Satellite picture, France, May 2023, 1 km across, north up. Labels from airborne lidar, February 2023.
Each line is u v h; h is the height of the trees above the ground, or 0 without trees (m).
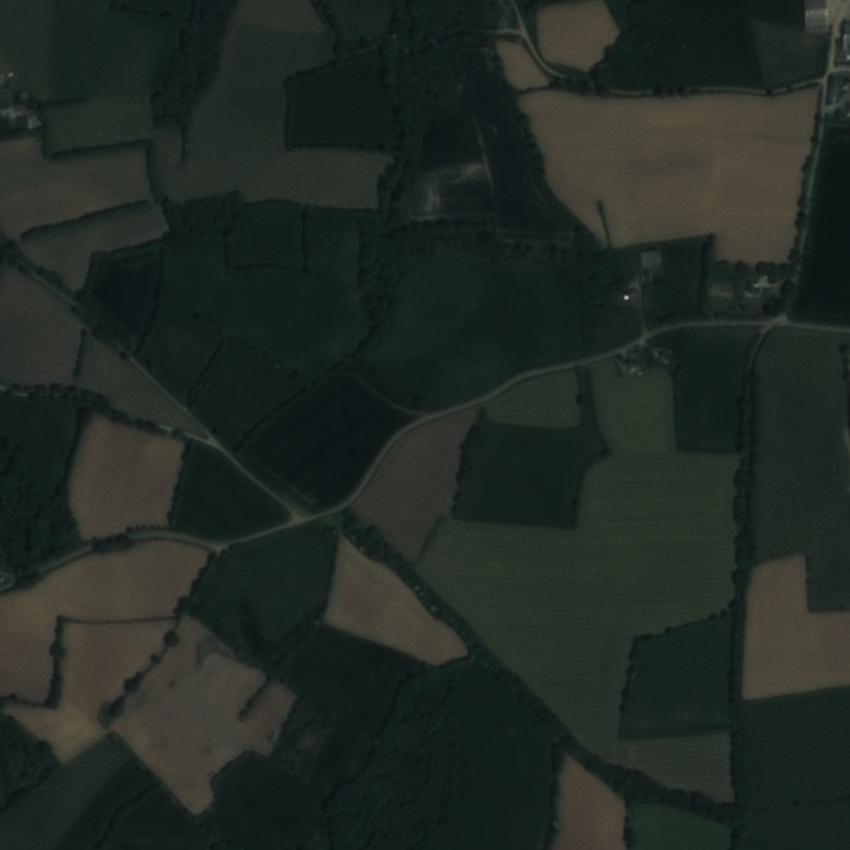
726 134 0
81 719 0
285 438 0
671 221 0
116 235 0
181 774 0
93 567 0
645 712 0
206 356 0
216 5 17
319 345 0
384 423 0
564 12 0
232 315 0
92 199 0
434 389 0
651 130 0
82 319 5
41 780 7
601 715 0
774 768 0
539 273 0
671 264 0
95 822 0
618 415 0
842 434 0
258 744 0
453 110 8
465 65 0
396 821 9
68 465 10
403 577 6
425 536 0
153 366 11
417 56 10
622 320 0
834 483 0
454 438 0
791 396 0
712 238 6
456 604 0
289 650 0
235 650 5
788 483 0
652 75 0
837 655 0
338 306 0
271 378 0
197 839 0
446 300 0
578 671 0
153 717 0
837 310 0
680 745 0
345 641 0
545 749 0
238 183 0
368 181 0
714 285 0
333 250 0
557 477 0
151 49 0
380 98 0
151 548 0
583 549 0
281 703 0
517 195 0
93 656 0
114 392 0
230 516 0
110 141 0
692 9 0
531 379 0
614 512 0
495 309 0
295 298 0
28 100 0
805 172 9
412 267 0
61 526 15
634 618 0
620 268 0
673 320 13
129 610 0
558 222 0
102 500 0
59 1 0
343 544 0
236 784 0
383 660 0
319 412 0
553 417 0
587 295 11
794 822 0
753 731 0
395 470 0
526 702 12
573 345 0
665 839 0
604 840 0
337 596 0
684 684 0
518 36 0
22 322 0
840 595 0
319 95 0
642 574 0
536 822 0
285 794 0
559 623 0
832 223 0
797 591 0
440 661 0
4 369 0
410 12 16
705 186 0
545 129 0
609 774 13
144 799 8
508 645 0
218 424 0
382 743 8
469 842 0
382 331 8
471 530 0
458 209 0
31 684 0
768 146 0
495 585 0
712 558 0
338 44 13
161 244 8
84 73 0
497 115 0
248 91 0
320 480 0
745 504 10
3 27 0
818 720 0
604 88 14
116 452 0
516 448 0
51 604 0
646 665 0
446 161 0
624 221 0
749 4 0
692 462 0
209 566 8
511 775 0
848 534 0
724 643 0
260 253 0
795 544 0
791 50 0
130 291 0
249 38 0
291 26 0
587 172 0
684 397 0
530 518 0
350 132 0
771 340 0
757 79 0
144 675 7
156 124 8
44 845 0
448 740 9
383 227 15
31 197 0
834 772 0
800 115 0
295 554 0
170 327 0
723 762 0
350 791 11
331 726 10
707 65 0
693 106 0
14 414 0
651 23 0
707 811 13
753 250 0
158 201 8
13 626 0
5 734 6
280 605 0
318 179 0
